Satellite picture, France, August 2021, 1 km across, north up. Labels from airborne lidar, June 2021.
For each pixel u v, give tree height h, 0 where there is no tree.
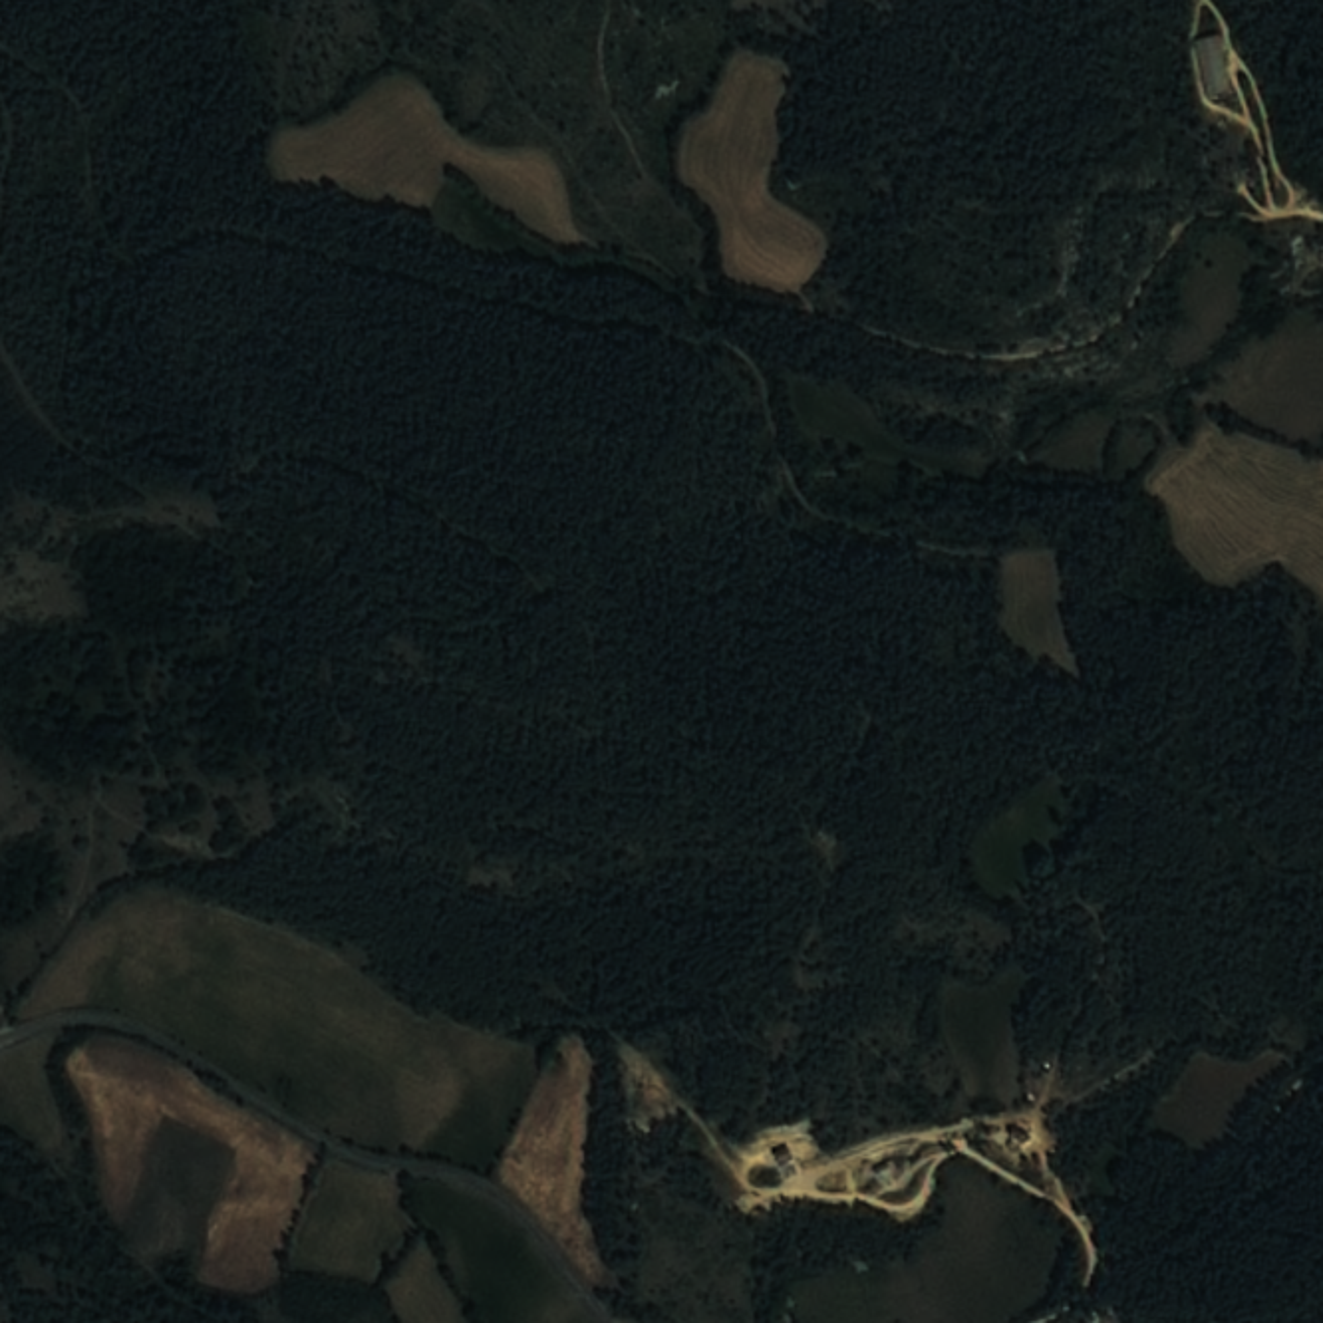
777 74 0
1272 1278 15
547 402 12
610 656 12
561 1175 0
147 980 0
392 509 14
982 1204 0
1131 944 9
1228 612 10
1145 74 9
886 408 7
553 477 15
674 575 16
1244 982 14
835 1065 12
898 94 10
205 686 7
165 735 9
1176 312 11
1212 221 7
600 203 0
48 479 8
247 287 11
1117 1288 13
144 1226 0
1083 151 7
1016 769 9
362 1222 0
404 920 17
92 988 0
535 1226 0
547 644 15
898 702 12
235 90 21
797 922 12
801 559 15
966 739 15
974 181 10
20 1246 9
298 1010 0
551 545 11
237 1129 0
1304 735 22
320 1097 0
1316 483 0
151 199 16
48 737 13
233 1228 0
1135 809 13
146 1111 0
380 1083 0
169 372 11
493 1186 0
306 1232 0
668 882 16
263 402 13
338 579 7
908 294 6
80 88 12
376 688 10
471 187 14
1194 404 12
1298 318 0
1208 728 12
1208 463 0
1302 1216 16
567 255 16
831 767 11
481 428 10
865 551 14
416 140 0
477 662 14
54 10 14
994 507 9
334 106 8
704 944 20
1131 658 18
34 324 10
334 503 10
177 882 10
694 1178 12
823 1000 9
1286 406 0
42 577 0
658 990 13
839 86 11
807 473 12
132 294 16
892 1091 7
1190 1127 0
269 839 11
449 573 13
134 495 9
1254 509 0
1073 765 13
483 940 15
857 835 13
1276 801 12
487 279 17
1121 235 10
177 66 16
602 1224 16
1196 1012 17
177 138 17
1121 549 9
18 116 11
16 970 0
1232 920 11
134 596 13
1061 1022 10
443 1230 0
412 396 14
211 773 10
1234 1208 20
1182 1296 13
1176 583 6
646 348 18
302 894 14
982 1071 0
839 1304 0
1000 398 7
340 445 11
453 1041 0
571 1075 0
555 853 13
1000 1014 0
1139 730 8
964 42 8
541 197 0
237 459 11
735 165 0
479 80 0
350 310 11
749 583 16
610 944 16
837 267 11
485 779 17
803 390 0
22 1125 0
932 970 15
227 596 15
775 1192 0
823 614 19
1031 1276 0
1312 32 25
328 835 6
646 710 13
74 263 14
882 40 9
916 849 13
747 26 9
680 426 14
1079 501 16
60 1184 8
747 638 15
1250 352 0
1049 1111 8
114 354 10
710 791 15
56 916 0
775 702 14
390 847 8
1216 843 10
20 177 6
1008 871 0
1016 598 0
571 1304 0
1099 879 12
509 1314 0
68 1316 9
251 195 18
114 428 12
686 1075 15
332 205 16
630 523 12
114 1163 0
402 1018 0
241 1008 0
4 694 11
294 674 9
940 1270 0
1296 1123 14
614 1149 10
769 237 0
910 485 16
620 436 15
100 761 14
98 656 14
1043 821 0
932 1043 8
